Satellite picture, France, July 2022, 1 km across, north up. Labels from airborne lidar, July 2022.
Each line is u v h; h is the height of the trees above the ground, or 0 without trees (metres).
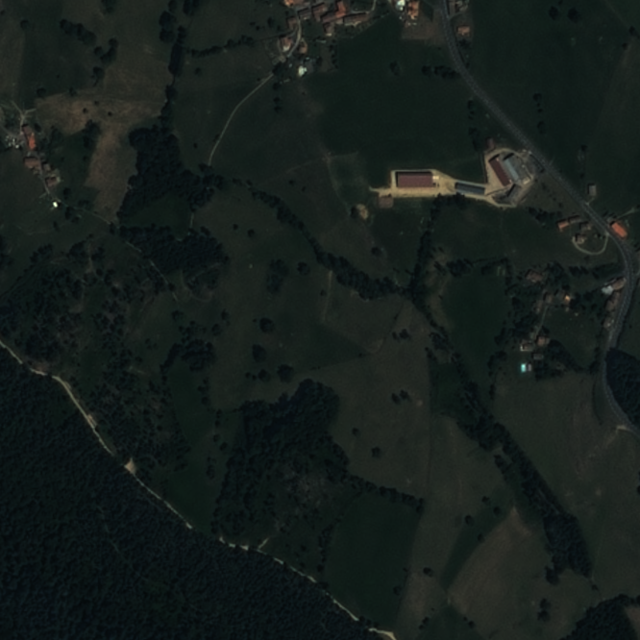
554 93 0
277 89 12
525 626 0
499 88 0
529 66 0
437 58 0
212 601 16
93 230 0
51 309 18
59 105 0
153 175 25
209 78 0
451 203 21
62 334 18
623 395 26
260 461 20
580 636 9
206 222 0
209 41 0
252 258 0
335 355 0
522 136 0
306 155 0
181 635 26
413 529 0
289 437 14
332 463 23
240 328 0
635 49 0
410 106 0
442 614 0
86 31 13
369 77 0
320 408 21
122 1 0
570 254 0
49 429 16
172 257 12
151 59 0
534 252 0
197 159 0
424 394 0
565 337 0
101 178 0
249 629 21
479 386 23
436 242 0
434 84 0
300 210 0
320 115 0
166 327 0
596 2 0
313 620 22
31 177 0
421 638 0
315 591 21
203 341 11
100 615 24
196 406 0
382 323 0
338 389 0
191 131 0
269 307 0
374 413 0
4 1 0
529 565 0
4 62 0
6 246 11
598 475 0
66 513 20
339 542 0
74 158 0
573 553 29
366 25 0
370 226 0
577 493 0
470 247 0
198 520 0
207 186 10
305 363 0
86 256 17
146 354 0
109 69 0
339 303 0
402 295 21
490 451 16
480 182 0
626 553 0
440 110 0
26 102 0
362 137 0
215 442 10
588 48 0
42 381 19
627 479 0
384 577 0
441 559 0
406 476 0
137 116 0
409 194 0
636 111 0
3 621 34
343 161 0
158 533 22
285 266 7
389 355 0
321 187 0
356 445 0
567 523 33
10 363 17
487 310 0
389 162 0
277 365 0
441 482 0
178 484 0
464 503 0
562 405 0
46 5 0
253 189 7
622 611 9
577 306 17
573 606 0
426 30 0
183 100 0
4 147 7
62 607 41
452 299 0
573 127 0
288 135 0
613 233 0
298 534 0
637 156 0
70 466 17
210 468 8
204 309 0
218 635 26
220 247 10
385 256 0
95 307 0
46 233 0
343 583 0
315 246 27
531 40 0
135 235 26
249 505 17
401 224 0
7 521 10
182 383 0
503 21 0
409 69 0
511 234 0
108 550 15
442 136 0
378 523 0
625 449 0
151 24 0
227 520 6
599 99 0
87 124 0
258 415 15
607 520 0
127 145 0
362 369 0
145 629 28
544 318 0
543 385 0
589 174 0
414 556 0
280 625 19
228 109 0
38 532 26
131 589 19
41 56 0
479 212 0
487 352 0
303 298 0
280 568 20
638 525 0
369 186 0
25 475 20
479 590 0
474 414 12
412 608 0
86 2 0
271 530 0
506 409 0
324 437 9
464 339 0
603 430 0
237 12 0
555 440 0
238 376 0
